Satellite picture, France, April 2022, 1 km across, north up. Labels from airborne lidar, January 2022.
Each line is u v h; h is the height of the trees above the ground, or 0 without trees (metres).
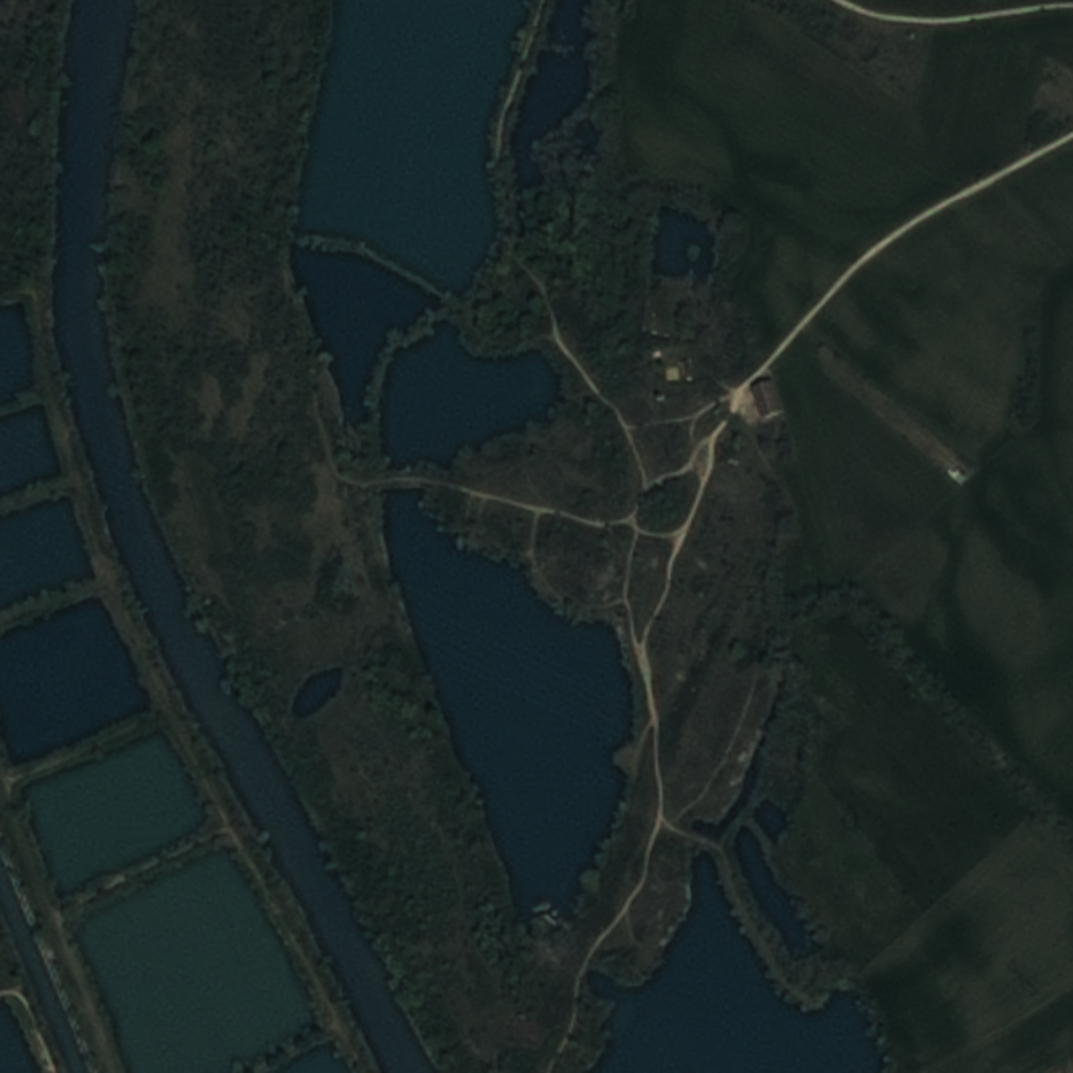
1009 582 0
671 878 0
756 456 0
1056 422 0
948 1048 0
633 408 0
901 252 0
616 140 16
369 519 14
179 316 0
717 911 0
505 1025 0
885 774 0
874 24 0
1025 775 11
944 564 0
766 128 0
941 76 0
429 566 0
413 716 15
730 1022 0
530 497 0
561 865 0
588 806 0
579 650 0
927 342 0
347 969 0
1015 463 0
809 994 9
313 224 0
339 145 0
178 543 0
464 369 0
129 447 0
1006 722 0
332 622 0
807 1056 0
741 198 0
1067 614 0
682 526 0
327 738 0
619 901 0
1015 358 0
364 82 0
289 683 0
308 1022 0
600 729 0
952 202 0
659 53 0
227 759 0
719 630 0
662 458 0
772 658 13
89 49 0
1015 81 0
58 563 0
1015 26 0
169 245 0
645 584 0
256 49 11
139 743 0
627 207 18
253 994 0
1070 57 0
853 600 18
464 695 0
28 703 0
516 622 0
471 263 0
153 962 0
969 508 0
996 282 0
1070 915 0
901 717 0
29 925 0
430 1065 0
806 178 0
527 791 0
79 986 0
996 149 0
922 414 0
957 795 0
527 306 6
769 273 0
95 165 0
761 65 0
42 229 14
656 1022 0
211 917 0
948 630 0
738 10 0
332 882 0
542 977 7
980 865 0
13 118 0
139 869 0
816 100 0
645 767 0
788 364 0
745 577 0
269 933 0
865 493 0
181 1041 0
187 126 0
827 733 16
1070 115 0
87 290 0
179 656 0
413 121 0
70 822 0
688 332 15
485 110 0
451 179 0
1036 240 0
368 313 0
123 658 0
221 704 0
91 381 0
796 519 17
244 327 0
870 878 0
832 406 0
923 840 0
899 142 0
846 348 0
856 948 0
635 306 11
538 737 0
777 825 0
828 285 0
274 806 0
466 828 8
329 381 0
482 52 0
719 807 0
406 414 0
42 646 0
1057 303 0
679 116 0
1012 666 0
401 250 0
